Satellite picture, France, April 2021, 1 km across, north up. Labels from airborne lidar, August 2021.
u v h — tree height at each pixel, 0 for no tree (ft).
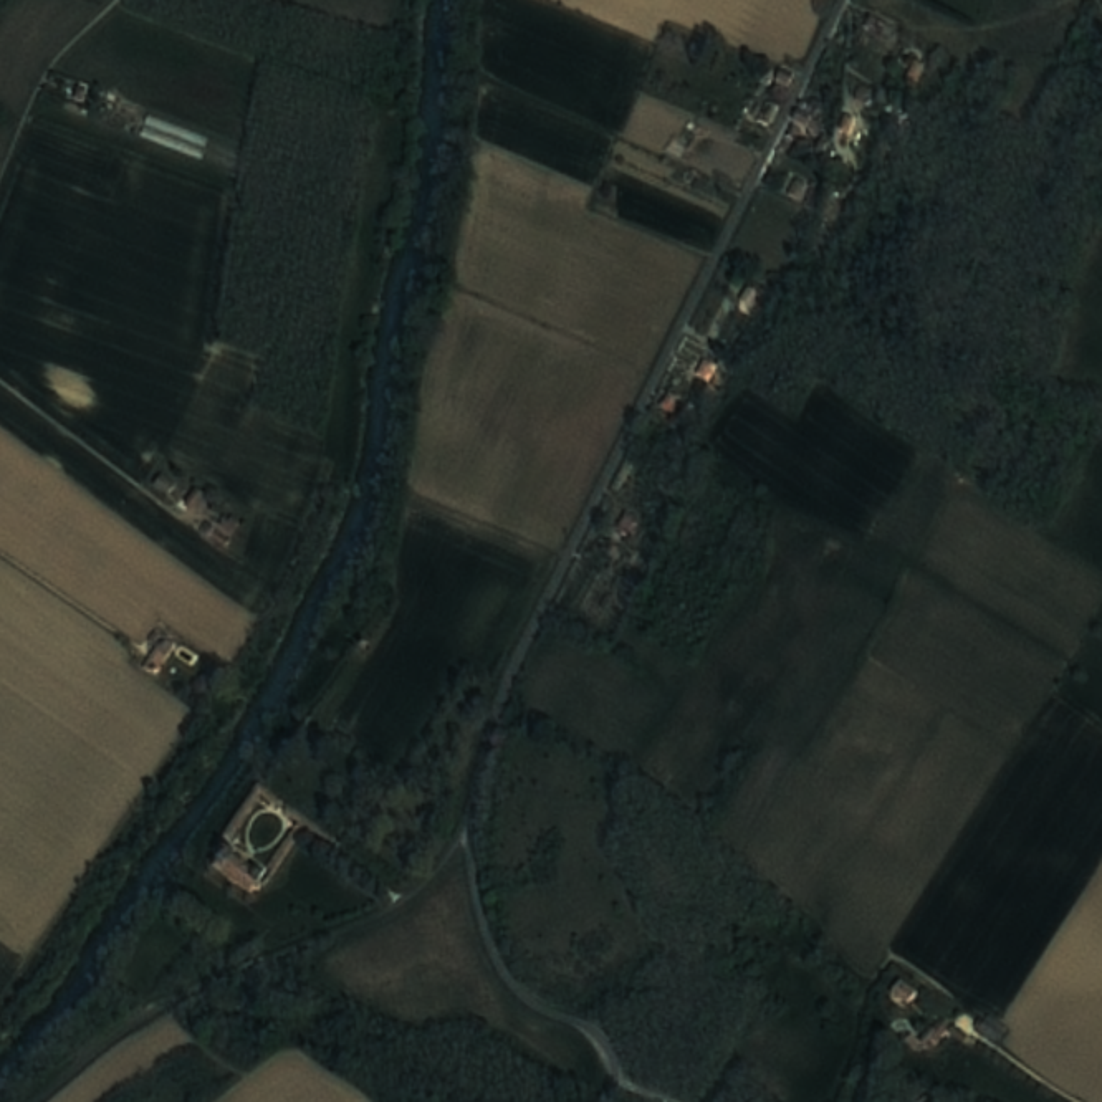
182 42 0
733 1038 67
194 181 0
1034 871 0
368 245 0
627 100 0
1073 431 78
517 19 0
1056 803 0
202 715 69
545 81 0
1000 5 0
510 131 0
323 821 33
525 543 0
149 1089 28
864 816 0
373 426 0
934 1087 51
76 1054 64
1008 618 0
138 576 0
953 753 0
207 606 0
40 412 0
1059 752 0
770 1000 27
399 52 52
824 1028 22
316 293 72
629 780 58
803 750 0
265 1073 0
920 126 64
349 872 90
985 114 52
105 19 0
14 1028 40
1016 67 26
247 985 58
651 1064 64
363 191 40
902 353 68
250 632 39
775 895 61
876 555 0
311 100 53
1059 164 47
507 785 30
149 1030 0
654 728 0
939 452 47
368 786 69
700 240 0
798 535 0
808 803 0
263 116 46
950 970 0
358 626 50
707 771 0
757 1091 89
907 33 38
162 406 0
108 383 0
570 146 0
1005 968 0
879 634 0
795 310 62
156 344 0
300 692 0
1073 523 0
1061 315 62
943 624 0
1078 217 68
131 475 0
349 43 41
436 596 0
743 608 0
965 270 38
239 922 0
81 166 0
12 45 0
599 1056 0
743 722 0
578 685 0
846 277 38
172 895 25
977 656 0
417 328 58
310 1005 99
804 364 61
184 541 0
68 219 0
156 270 0
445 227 92
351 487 37
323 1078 0
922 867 0
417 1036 50
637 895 42
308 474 0
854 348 64
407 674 0
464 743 46
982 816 0
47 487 0
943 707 0
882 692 0
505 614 0
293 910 25
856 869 0
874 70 0
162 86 0
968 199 59
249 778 21
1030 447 69
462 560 0
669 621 31
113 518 0
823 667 0
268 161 53
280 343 48
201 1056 34
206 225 0
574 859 0
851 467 0
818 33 0
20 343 0
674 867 52
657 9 0
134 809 48
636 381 0
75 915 28
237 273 54
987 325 65
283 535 0
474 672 31
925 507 0
